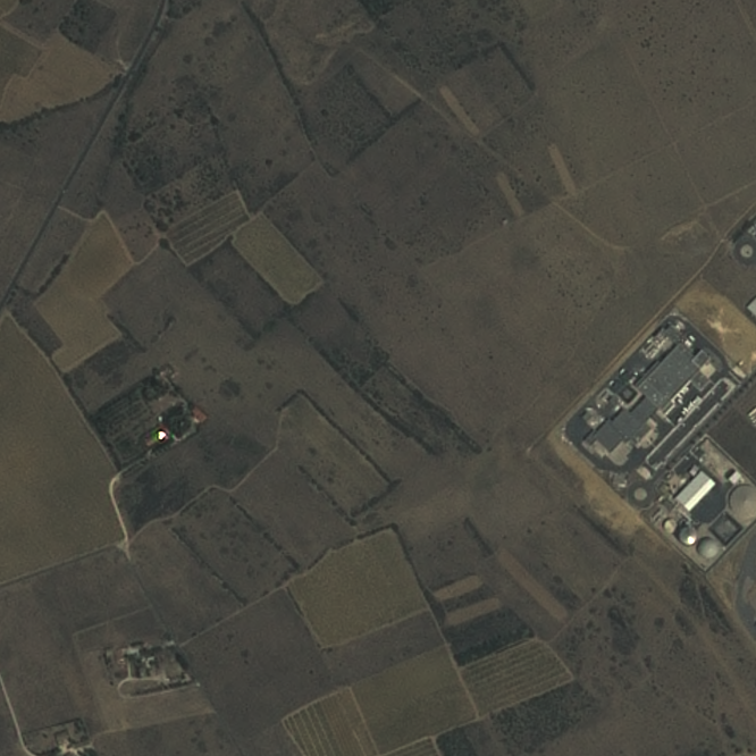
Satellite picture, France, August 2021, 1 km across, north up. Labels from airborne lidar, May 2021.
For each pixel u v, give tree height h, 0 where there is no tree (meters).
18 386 0
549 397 0
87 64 0
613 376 0
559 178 0
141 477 0
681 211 0
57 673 0
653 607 0
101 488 0
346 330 0
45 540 0
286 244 0
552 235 0
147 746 0
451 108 0
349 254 0
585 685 0
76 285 0
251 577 0
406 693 0
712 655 0
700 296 0
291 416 0
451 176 0
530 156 0
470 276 0
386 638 0
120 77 7
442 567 0
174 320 0
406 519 0
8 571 0
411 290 0
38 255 0
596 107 0
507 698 0
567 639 0
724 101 0
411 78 0
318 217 0
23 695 0
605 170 0
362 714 0
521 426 0
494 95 0
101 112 0
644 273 0
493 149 0
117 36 0
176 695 0
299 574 0
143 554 0
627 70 0
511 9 0
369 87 0
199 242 0
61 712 0
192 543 0
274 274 0
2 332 0
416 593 0
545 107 0
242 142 0
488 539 0
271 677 0
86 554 0
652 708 0
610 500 0
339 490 0
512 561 0
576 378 0
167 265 0
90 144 0
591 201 0
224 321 0
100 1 0
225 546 0
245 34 0
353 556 0
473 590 0
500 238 0
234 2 0
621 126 0
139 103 0
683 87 0
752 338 0
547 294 0
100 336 0
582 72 0
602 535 0
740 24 0
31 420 0
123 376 0
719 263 0
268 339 0
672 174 0
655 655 0
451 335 0
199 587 0
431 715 0
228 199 0
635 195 0
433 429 0
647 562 0
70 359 0
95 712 0
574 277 0
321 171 0
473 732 0
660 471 0
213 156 0
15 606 0
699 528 0
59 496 0
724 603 0
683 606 0
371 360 0
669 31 0
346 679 0
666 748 0
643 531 0
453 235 0
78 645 0
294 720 0
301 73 0
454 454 0
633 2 0
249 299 0
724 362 0
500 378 0
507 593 0
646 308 0
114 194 0
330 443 0
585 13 0
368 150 0
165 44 0
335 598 0
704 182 0
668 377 0
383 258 0
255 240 0
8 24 0
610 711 0
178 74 0
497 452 0
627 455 0
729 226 0
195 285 0
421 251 0
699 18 0
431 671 0
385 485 0
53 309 0
